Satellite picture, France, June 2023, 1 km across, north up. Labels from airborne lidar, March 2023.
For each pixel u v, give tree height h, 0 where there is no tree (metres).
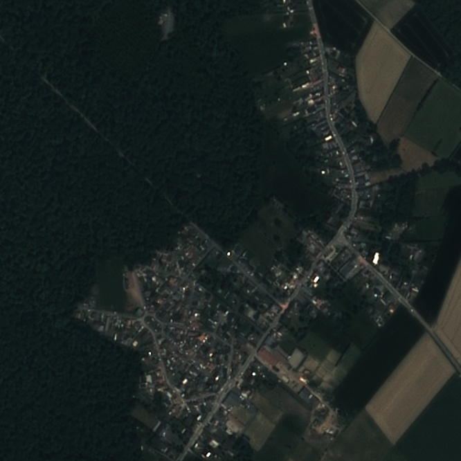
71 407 25
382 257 10
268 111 0
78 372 25
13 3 26
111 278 0
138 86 23
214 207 22
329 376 0
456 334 0
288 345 0
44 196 22
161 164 26
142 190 25
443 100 0
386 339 0
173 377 0
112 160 26
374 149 14
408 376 0
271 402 0
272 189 0
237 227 22
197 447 0
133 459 26
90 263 16
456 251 0
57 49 30
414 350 0
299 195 0
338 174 0
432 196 0
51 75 19
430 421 0
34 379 27
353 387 0
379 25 0
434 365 0
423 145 0
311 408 0
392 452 0
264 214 0
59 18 28
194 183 26
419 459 0
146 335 0
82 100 28
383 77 0
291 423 0
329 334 0
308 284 7
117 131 25
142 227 22
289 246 0
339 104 0
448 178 0
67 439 26
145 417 0
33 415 25
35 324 25
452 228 0
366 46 0
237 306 0
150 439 7
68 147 22
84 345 26
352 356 0
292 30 0
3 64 28
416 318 0
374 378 0
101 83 27
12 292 23
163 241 11
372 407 0
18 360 26
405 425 0
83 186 28
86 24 20
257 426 0
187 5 29
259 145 19
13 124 25
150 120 28
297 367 0
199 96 11
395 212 17
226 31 0
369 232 8
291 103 0
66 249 27
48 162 23
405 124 0
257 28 0
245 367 0
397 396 0
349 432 0
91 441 24
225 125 29
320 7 0
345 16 0
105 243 26
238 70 19
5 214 27
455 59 15
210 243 0
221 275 6
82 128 24
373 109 0
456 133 0
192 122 29
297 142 13
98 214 24
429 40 0
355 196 0
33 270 18
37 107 26
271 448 0
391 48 0
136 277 0
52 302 26
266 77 0
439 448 0
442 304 0
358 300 0
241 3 11
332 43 0
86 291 20
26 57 22
